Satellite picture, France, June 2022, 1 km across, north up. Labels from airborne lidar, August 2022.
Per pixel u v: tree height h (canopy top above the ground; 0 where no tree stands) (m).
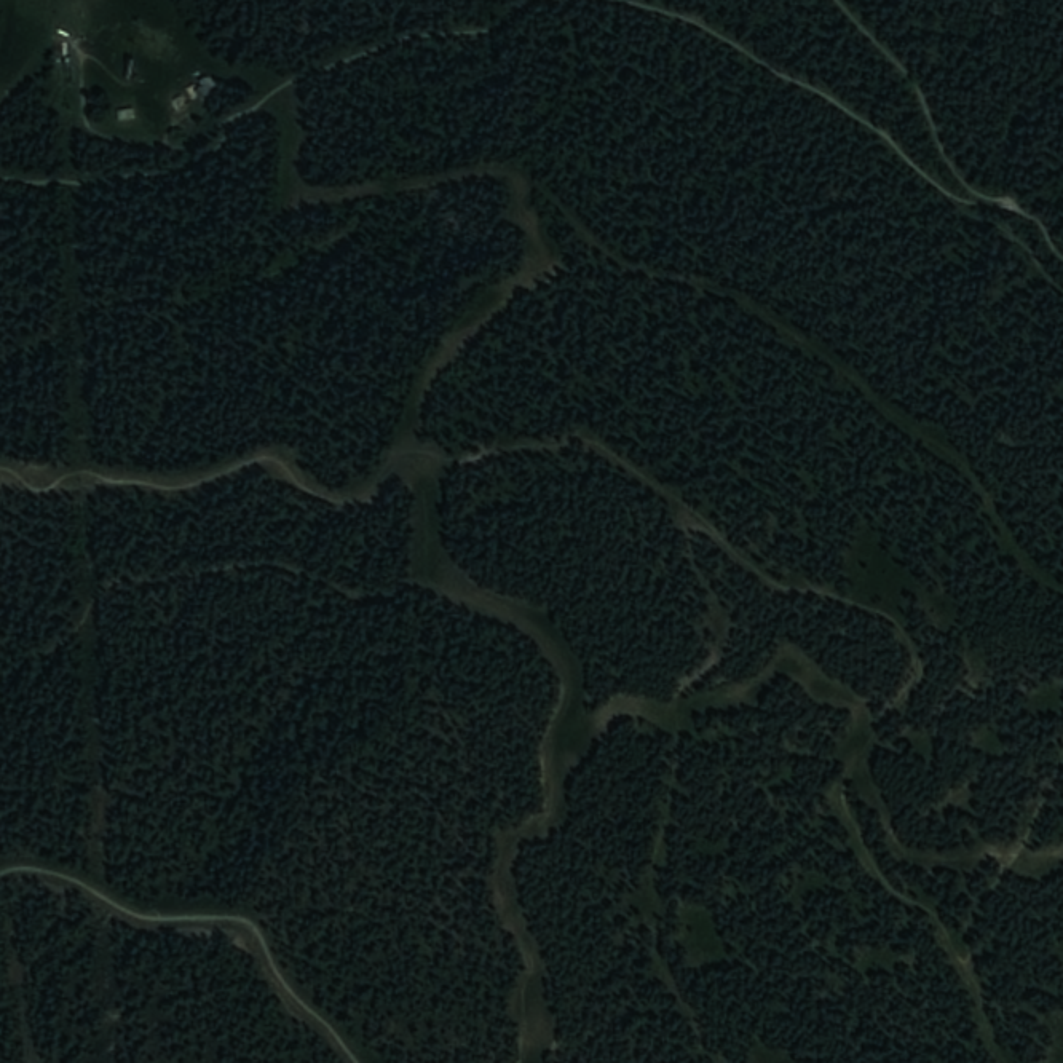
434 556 0
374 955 21
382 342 6
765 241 21
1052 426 22
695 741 24
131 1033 14
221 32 24
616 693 21
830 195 24
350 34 17
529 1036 0
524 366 12
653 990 22
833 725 22
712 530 0
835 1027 21
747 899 24
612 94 28
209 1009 19
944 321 19
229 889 15
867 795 0
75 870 15
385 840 20
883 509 28
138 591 22
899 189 27
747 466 32
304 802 15
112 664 15
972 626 13
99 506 20
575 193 7
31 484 0
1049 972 26
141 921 0
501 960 17
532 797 20
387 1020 16
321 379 25
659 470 26
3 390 11
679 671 18
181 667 16
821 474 23
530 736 17
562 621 23
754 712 26
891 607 0
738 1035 22
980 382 25
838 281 21
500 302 0
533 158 11
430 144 27
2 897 10
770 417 23
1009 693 25
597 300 24
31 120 21
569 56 17
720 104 11
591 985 10
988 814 22
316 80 16
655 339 23
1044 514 26
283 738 20
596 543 24
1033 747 23
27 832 15
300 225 25
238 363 29
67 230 8
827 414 24
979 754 23
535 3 12
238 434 15
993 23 29
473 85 10
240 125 12
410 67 23
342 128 21
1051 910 30
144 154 26
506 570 18
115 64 0
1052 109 32
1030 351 30
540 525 24
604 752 23
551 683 15
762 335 19
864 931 25
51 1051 11
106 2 0
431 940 22
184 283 21
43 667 8
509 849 0
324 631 18
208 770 20
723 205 11
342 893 17
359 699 28
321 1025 0
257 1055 8
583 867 22
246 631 15
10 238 18
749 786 23
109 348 24
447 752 22
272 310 23
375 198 7
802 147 28
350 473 16
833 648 24
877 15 34
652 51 28
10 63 0
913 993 24
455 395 27
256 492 20
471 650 18
